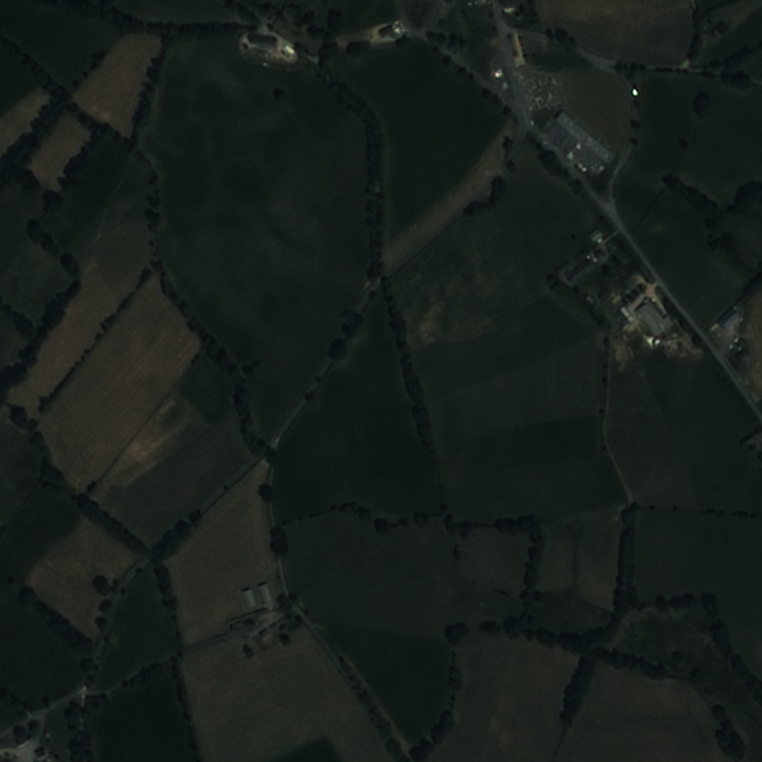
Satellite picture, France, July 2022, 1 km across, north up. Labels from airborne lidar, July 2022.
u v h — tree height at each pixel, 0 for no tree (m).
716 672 0
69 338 0
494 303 0
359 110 16
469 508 0
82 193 0
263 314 0
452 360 0
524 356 0
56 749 0
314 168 0
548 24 0
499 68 0
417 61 0
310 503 0
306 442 0
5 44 16
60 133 0
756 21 0
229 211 0
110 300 0
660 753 0
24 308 0
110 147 0
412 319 0
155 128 0
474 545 0
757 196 19
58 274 0
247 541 0
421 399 16
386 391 0
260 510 0
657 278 0
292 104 0
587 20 0
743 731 0
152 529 0
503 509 0
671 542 0
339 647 0
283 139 0
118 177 0
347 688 0
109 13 20
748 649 0
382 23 0
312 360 0
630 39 0
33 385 0
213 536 0
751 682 19
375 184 14
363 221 0
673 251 0
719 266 0
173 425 0
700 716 0
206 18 0
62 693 0
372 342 0
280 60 0
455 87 0
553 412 0
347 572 0
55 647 0
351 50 15
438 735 18
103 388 0
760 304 0
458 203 0
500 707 0
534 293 0
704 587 0
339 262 0
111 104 0
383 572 0
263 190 0
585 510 0
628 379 0
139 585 0
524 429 0
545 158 17
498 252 0
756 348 0
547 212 0
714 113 0
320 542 0
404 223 0
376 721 16
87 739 16
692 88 0
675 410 0
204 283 0
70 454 0
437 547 0
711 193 0
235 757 0
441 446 0
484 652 0
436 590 0
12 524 0
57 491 9
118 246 0
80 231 0
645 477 0
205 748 0
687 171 0
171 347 0
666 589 0
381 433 0
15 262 0
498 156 0
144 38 0
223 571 0
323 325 0
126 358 0
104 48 0
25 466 0
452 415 0
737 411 0
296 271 0
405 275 0
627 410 0
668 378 0
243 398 20
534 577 18
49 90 15
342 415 0
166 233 0
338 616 0
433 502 0
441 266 0
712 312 0
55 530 0
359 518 9
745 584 0
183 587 0
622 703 0
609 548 0
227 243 0
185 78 0
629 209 0
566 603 0
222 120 0
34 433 8
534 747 0
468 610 0
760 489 0
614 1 0
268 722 0
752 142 0
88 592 0
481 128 0
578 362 0
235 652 0
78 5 20
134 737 0
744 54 15
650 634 0
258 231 0
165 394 0
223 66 0
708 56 0
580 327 0
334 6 0
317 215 0
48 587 0
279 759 0
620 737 0
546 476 0
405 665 0
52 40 0
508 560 0
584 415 0
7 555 0
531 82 0
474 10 0
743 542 0
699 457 0
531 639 11
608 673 0
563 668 0
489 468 0
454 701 9
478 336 0
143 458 0
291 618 13
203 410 0
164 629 0
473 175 0
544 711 0
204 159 0
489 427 0
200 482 0
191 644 0
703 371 0
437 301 0
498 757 0
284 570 0
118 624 0
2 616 0
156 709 0
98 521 24
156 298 0
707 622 0
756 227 0
